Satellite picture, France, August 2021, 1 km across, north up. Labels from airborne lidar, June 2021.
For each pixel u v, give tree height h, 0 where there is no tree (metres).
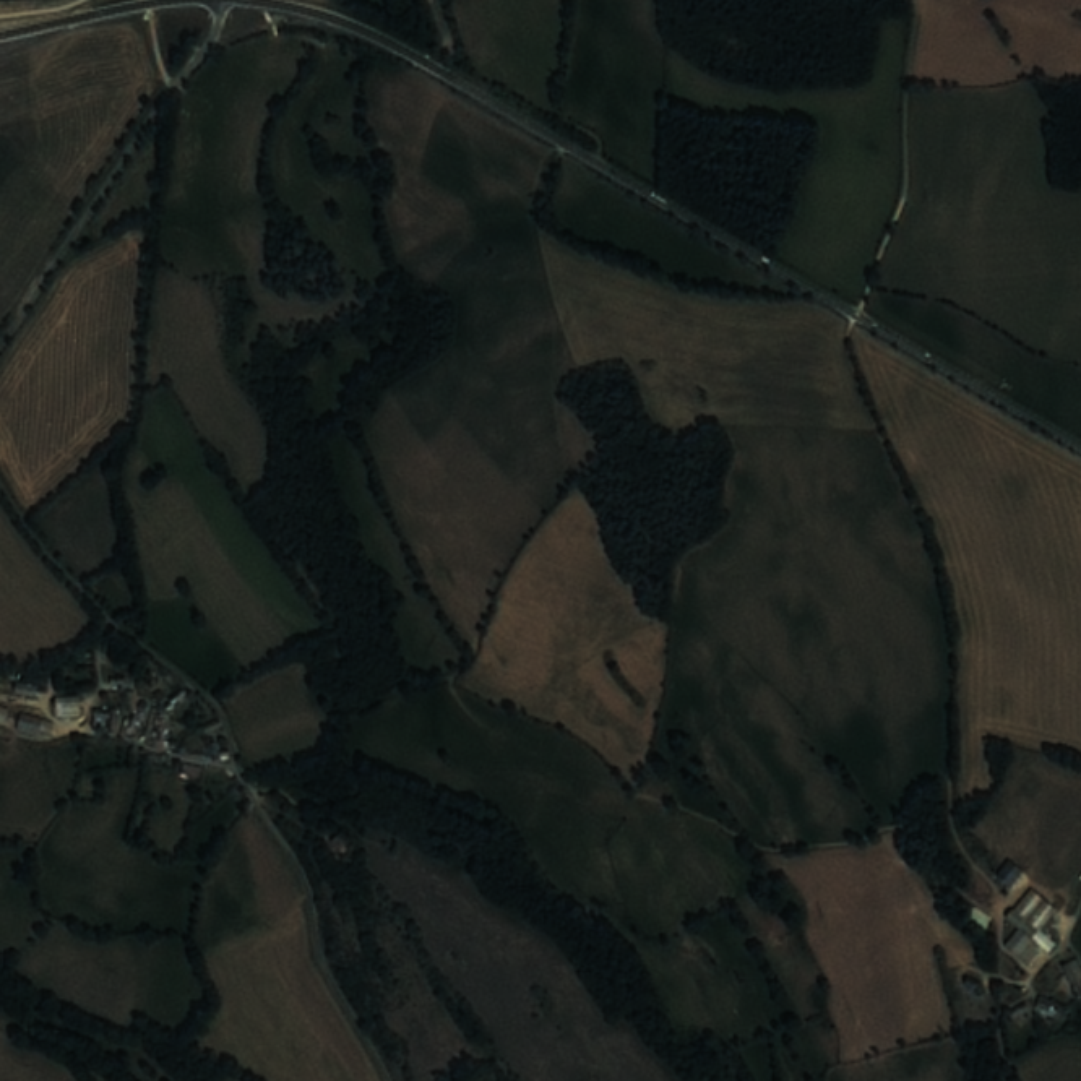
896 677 0
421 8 11
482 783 0
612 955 19
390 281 15
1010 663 0
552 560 0
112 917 0
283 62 0
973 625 0
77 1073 16
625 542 15
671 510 15
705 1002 0
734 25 13
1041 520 0
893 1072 0
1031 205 0
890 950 0
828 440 0
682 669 0
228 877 0
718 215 13
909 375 0
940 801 12
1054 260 0
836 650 0
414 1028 0
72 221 10
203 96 0
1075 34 0
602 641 0
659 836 0
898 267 0
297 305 0
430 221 0
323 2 0
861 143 0
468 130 0
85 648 15
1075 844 0
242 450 0
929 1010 0
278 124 12
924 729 0
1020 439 0
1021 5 0
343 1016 0
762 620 0
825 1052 0
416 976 0
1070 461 0
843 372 0
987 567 0
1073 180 15
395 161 16
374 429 0
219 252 0
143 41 0
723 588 0
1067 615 0
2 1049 0
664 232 0
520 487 0
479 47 0
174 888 0
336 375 0
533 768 0
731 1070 7
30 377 0
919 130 0
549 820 0
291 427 15
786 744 0
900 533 0
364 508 0
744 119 13
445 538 0
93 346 0
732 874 0
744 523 0
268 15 0
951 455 0
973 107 0
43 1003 16
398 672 17
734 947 0
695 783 17
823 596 0
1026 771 0
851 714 0
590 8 0
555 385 0
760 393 0
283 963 0
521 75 0
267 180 17
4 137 0
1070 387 0
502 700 0
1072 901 0
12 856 0
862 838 11
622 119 0
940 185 0
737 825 13
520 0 0
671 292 0
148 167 0
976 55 0
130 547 19
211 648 0
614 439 18
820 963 0
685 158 17
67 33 0
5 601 0
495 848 18
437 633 0
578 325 0
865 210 0
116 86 0
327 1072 0
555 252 0
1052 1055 0
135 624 5
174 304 0
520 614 0
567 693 0
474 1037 13
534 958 0
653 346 0
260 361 7
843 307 0
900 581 0
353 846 7
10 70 0
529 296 0
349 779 16
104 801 12
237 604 0
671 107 16
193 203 0
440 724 0
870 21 17
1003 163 0
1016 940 0
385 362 13
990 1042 10
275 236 11
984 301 0
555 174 12
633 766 0
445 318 7
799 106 0
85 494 0
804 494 0
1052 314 0
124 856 0
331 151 11
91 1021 15
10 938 0
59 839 0
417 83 0
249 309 12
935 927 0
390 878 0
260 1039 0
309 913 0
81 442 0
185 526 0
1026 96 0
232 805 0
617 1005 17
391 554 0
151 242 13
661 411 0
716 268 0
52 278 10
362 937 8
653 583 21
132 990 0
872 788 0
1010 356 0
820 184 0
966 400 0
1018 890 0
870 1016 0
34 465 0
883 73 0
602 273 0
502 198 0
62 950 0
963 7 0
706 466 16
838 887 0
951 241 0
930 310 0
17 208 0
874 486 0
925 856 18
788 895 17
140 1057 0
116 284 0
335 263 14
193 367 0
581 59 0
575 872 0
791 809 0
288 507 19
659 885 0
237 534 0
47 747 0
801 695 0
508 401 0
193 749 0
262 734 0
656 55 0
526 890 18
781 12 21
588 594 0
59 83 0
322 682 14
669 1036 8
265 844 0
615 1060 0
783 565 0
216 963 0
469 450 0
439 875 0
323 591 8
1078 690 0
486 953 0
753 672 0
